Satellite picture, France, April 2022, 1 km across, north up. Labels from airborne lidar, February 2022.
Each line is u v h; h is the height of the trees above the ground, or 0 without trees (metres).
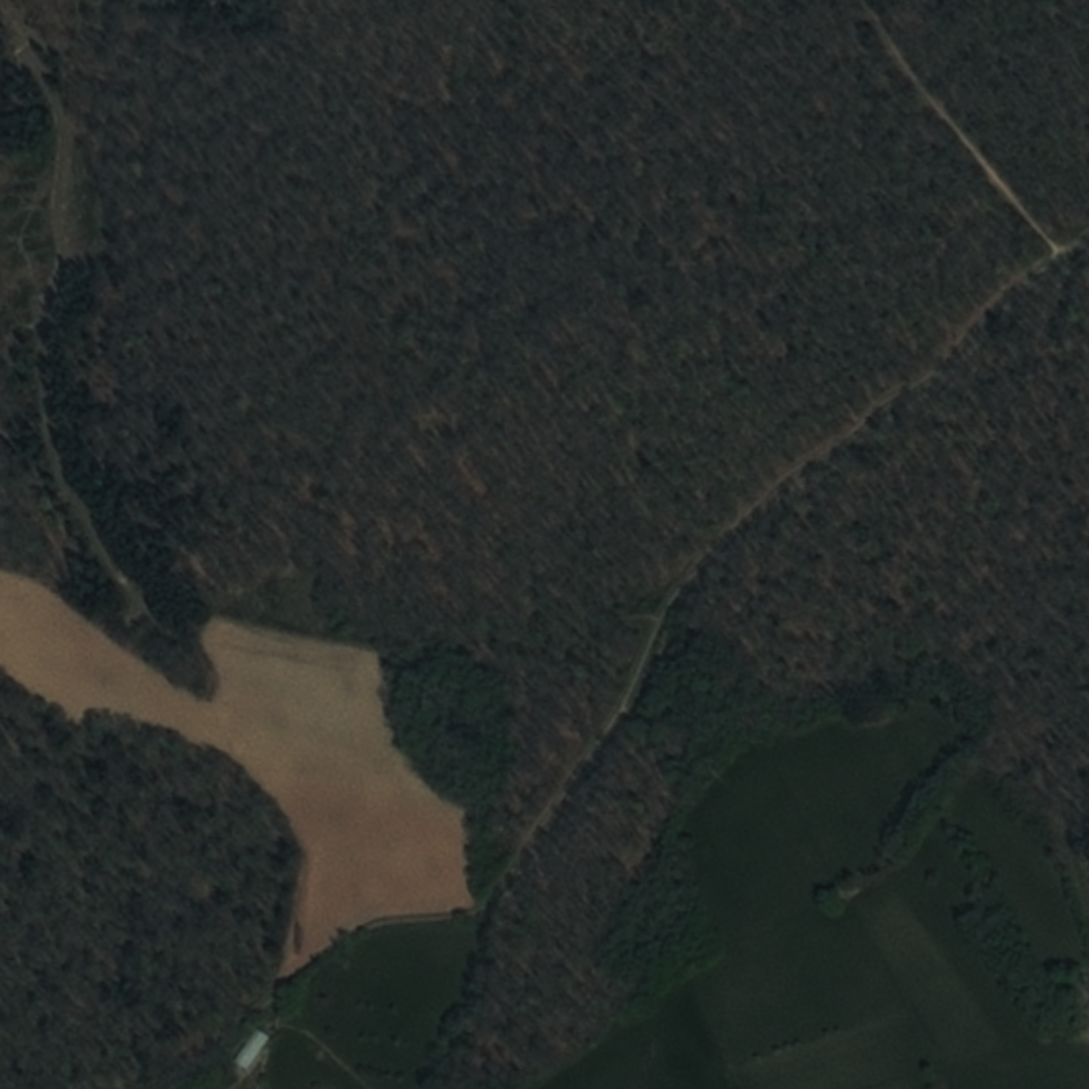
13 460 26
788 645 27
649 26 25
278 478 25
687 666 22
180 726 0
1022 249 24
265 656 0
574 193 29
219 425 29
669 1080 0
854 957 0
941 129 24
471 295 27
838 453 0
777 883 0
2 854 27
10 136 17
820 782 0
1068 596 27
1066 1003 27
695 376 28
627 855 30
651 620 0
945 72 25
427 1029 0
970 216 28
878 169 27
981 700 24
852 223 24
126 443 28
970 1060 0
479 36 24
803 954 0
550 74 28
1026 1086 0
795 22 29
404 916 0
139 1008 22
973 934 20
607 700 30
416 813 0
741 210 23
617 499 27
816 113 29
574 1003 31
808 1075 0
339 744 0
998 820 0
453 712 22
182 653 24
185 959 26
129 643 27
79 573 26
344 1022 0
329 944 0
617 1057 0
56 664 0
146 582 28
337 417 26
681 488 28
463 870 0
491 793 25
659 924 23
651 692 10
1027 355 30
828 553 30
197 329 26
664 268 27
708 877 0
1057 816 22
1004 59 26
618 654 29
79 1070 26
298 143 28
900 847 26
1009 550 30
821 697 26
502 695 27
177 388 29
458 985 0
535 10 26
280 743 0
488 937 14
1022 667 24
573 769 28
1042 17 30
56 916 20
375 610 30
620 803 32
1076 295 24
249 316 24
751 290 26
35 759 26
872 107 27
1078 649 27
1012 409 26
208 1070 23
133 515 22
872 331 27
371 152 30
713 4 28
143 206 28
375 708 0
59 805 26
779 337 25
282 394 26
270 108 27
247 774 13
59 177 0
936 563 29
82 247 0
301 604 0
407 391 26
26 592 0
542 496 28
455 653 24
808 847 0
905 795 0
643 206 31
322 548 30
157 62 26
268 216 29
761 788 0
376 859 0
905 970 0
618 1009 26
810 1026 0
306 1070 0
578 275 26
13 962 20
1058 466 26
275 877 23
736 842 0
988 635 27
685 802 30
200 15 31
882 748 0
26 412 29
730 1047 0
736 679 27
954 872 0
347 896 0
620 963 26
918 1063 0
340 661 0
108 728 25
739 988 0
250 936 26
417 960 0
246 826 27
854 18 26
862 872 0
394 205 31
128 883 27
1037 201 25
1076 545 25
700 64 31
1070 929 0
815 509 25
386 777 0
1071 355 25
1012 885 0
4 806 22
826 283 28
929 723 0
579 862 29
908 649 21
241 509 29
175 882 27
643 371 28
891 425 28
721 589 25
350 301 27
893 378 26
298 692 0
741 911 0
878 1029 0
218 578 29
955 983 0
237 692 0
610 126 29
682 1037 0
